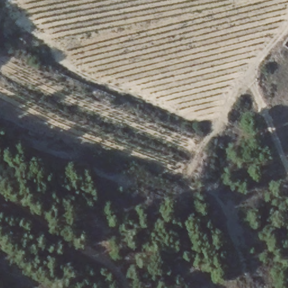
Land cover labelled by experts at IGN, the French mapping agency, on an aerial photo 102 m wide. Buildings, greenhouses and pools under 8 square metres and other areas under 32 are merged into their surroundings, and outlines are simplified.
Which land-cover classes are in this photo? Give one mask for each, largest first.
<instances>
[{"label":"agricultural land","instance_id":"1","mask_svg":"<svg viewBox=\"0 0 288 288\"><path fill-rule=\"evenodd\" d=\"M33 0H0V128H7L13 137L26 139L34 152L69 163L83 164L84 168L89 170L93 169L100 186L115 196L116 206L111 210L112 213L115 209L124 211L127 207H136L145 201L146 197L164 201V198L169 197L170 201L189 190L187 178H199L204 168V160L207 159L206 147L200 153L187 151L186 148L189 138L193 139L195 144H199L202 138L211 132L210 120L184 119L132 94L119 93L109 89L105 84L81 78L60 64L66 56L60 49L49 47L43 39L37 38L40 33H44V25L43 22L46 20L62 19L64 15L39 20V15L30 17L25 9L31 7L30 2ZM267 105L265 108L269 110L273 127L276 128L274 132H269L264 137L269 139L277 152L279 155L288 153V34L283 36L264 57L260 64L258 80Z\"/></svg>","mask_w":288,"mask_h":288},{"label":"deciduous trees","instance_id":"2","mask_svg":"<svg viewBox=\"0 0 288 288\"><path fill-rule=\"evenodd\" d=\"M228 119L240 121V130L244 137L240 146L233 147V144L229 143L226 148L229 161L222 178L223 183L232 191L246 193L247 189L246 183L233 182L229 179V173L243 168L254 181H258L264 173L263 164L276 156L277 152L269 139L264 137L269 132L264 118L253 108L251 94H242L237 98L232 110L228 112ZM216 136L210 139L206 147L207 159L204 160V168L199 178L202 188H218V183H210L208 180L215 169ZM64 178L67 191L62 199L46 187L42 180V171L37 169L36 157H31L30 162L24 163V151L20 144L10 151L3 150L0 157V196L4 200L29 207L31 214L46 218L49 228L43 235L33 236L30 234L29 224L24 220L0 213V254L11 264L16 263L24 276L39 282L34 288H98L96 283L88 280L80 282L74 276L71 263L61 267L54 261L67 243L75 249H83L84 244L90 245L97 240L91 231L78 238L72 233V208L75 205L80 207L84 202L92 206L98 198L89 170L84 168L83 164L69 163L65 168ZM253 232L260 238L254 249H250L253 258L261 261L256 273L264 281L269 279L274 288H288V174L280 180L270 181L269 188L264 192V199H258V213L253 214L249 211L246 216ZM173 205L170 201L169 197L164 198V201L146 197L145 201L136 207H127L124 211L115 209L112 213L111 210L110 202H106L105 206L109 226L117 229L119 233L108 241H102L101 245L106 247L112 260H117L121 255L133 262L126 273L127 278L133 279L129 288H189L188 283L173 273L172 253L179 251L180 243L172 238L178 233L166 232L164 224L170 222L181 228L187 227L192 249L183 253V259L192 265L190 272H209L214 283L225 287L229 281L222 278L223 271L220 269L216 254L219 249V231L216 229L213 241L208 243L207 235L200 233L198 225L193 224L192 214L186 222H180L170 214Z\"/></svg>","mask_w":288,"mask_h":288},{"label":"vineyard","instance_id":"3","mask_svg":"<svg viewBox=\"0 0 288 288\"><path fill-rule=\"evenodd\" d=\"M31 7L25 9L30 17L39 15V20L64 15L62 19L46 20L43 22L44 25L73 19V22L67 24L48 27L58 28L53 34L64 33L63 36L54 38L55 42L67 39L69 51L91 46L89 52H85L83 57L80 56L84 64L97 67L99 73L106 72V76L124 73V76L116 80L127 78L128 82H134L146 79L143 84L154 82V85L146 89L157 88L153 93L169 91L156 96V99H180V105L222 96V90L228 88L229 84L220 85V82L233 81L234 78L217 81L216 78L237 73V67L245 66V60L254 58V55H250L251 51H246V47L263 45V38H271L273 29L279 28L280 22H283L277 11L288 8V0H33L30 2Z\"/></svg>","mask_w":288,"mask_h":288},{"label":"herbaceous vegetation","instance_id":"4","mask_svg":"<svg viewBox=\"0 0 288 288\"><path fill-rule=\"evenodd\" d=\"M215 169L208 180L210 183H218V188H202L199 178H187L189 190L170 201L173 205L170 214L180 222H186L192 214L193 224L198 225L200 233L207 235L208 243L213 241L216 229L219 231V249L216 254L220 269L223 271L222 278L229 281L225 287L214 283L209 272H190L192 265L183 259V253L192 249L187 227L181 228L170 222L164 224L166 232L178 233L172 238L180 243L179 251L172 253L173 273L188 283L189 288H274L269 279L264 281L256 273L261 261L253 258L250 249H254L260 238L253 232L246 216L249 211L253 214L258 213V199H264V192L269 188L270 181L280 180L288 174V153L279 155L277 152L276 156L263 164L264 173L258 181H254L243 168L229 173V179L233 182L246 183L247 189L246 193L232 191L223 183L222 178L229 161L226 148L229 143L233 144V147L240 146L244 137L240 130V121L228 119L222 134L216 136ZM20 144L24 151V163L30 162L31 157H36L37 169L42 171V180L46 187L62 199L67 191L64 178L65 168L69 163L34 152L26 139L13 137L7 128H0V157L3 150L10 151ZM98 198L92 206L84 202L80 207L75 205L72 208V233L78 238L91 231L97 240L90 245L84 244L83 249H75L67 243L54 261L61 267L71 263L74 276L80 282L88 280L96 283L98 288H129L133 279L127 278L126 273L133 262L121 255L117 260H112L106 247L101 245L102 241H108L119 233L117 229L109 226L105 206L106 202H110L111 210L116 206L115 196L100 186L93 169L89 170ZM0 213L24 220L29 224L30 234L33 236L43 235L49 228L46 218L31 214L29 207L4 200L0 196ZM39 282L24 276L16 263L11 264L0 254V288H34Z\"/></svg>","mask_w":288,"mask_h":288},{"label":"plowed land","instance_id":"5","mask_svg":"<svg viewBox=\"0 0 288 288\"><path fill-rule=\"evenodd\" d=\"M283 22H280L279 28L273 29L271 38H263V45L246 47V51H251L250 55H254V58L245 60V66L237 67V73L216 78L217 81L234 78L233 81L220 82V85L229 84L228 88L222 90V96L180 105V99H156V96L169 91L153 93L157 88L146 89L154 85V82L143 84L146 79L134 82H128L127 78L116 80L124 76V73L106 76V72L99 73L97 67L84 64L80 56L83 57L85 52H89L91 46L69 51L67 39L55 42L54 38L63 36L64 33L53 34L58 28L48 27L67 24L73 22V19L44 25V33H40L37 38L43 39L49 47L60 49L66 56L60 64L81 78L105 84L109 89L119 93L132 94L184 119L210 120L211 132L202 138L199 144H195L193 139L189 138L186 148L187 151L200 153L206 147L210 139L216 136L222 134L228 119V112L232 110L237 98L242 94H251L250 85L258 80L260 64L264 57L283 36L288 34V8L277 11Z\"/></svg>","mask_w":288,"mask_h":288},{"label":"pervious surface","instance_id":"6","mask_svg":"<svg viewBox=\"0 0 288 288\"><path fill-rule=\"evenodd\" d=\"M251 94L253 108L264 118L269 132H274L276 128L273 127L269 110L265 108L267 105L258 80L250 85Z\"/></svg>","mask_w":288,"mask_h":288}]
</instances>
